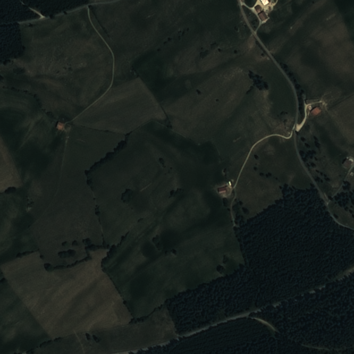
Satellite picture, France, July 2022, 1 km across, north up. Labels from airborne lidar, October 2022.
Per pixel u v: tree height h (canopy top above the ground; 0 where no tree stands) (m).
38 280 0
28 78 0
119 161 0
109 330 0
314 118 0
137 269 0
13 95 0
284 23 0
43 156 0
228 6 0
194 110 0
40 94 0
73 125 0
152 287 0
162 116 0
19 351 0
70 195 0
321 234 26
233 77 0
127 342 0
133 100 0
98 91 0
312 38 0
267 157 0
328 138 0
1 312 0
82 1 14
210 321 17
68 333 0
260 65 0
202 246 0
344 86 0
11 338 0
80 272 0
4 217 0
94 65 0
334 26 0
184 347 17
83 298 0
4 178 0
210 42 0
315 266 16
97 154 0
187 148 0
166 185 0
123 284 0
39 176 0
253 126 0
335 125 0
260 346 31
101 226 0
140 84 0
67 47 0
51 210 0
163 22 0
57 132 0
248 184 0
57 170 0
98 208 6
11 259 0
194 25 0
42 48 0
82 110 0
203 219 0
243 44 0
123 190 0
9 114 0
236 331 16
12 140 0
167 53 0
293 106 0
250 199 0
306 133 0
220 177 0
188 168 0
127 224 0
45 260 0
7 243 0
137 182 0
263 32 0
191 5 0
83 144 0
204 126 0
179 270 0
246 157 0
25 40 0
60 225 0
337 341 33
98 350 0
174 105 0
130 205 0
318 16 0
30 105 0
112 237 0
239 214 6
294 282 25
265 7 0
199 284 0
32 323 0
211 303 22
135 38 0
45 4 11
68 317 0
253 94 0
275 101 0
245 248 11
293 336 36
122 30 0
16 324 0
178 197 0
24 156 0
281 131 0
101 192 0
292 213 15
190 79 0
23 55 11
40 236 0
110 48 0
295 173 0
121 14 0
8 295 0
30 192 0
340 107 0
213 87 0
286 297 22
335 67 0
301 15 0
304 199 27
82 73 0
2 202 0
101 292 0
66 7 8
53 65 0
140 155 0
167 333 0
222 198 0
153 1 0
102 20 0
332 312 36
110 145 0
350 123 0
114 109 0
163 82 0
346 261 22
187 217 0
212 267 0
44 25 0
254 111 0
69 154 0
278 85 0
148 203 0
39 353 0
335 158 0
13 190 15
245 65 0
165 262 0
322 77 0
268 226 25
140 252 0
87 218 0
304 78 0
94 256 0
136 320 6
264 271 17
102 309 0
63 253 9
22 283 0
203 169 0
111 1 0
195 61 0
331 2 0
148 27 0
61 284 0
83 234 0
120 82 0
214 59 0
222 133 0
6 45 22
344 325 42
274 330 0
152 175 0
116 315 0
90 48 0
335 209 0
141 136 0
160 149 0
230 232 0
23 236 0
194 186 0
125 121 0
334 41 0
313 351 10
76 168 0
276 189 0
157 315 0
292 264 16
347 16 0
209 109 0
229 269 0
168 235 0
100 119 0
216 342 16
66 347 0
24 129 0
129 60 0
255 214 0
